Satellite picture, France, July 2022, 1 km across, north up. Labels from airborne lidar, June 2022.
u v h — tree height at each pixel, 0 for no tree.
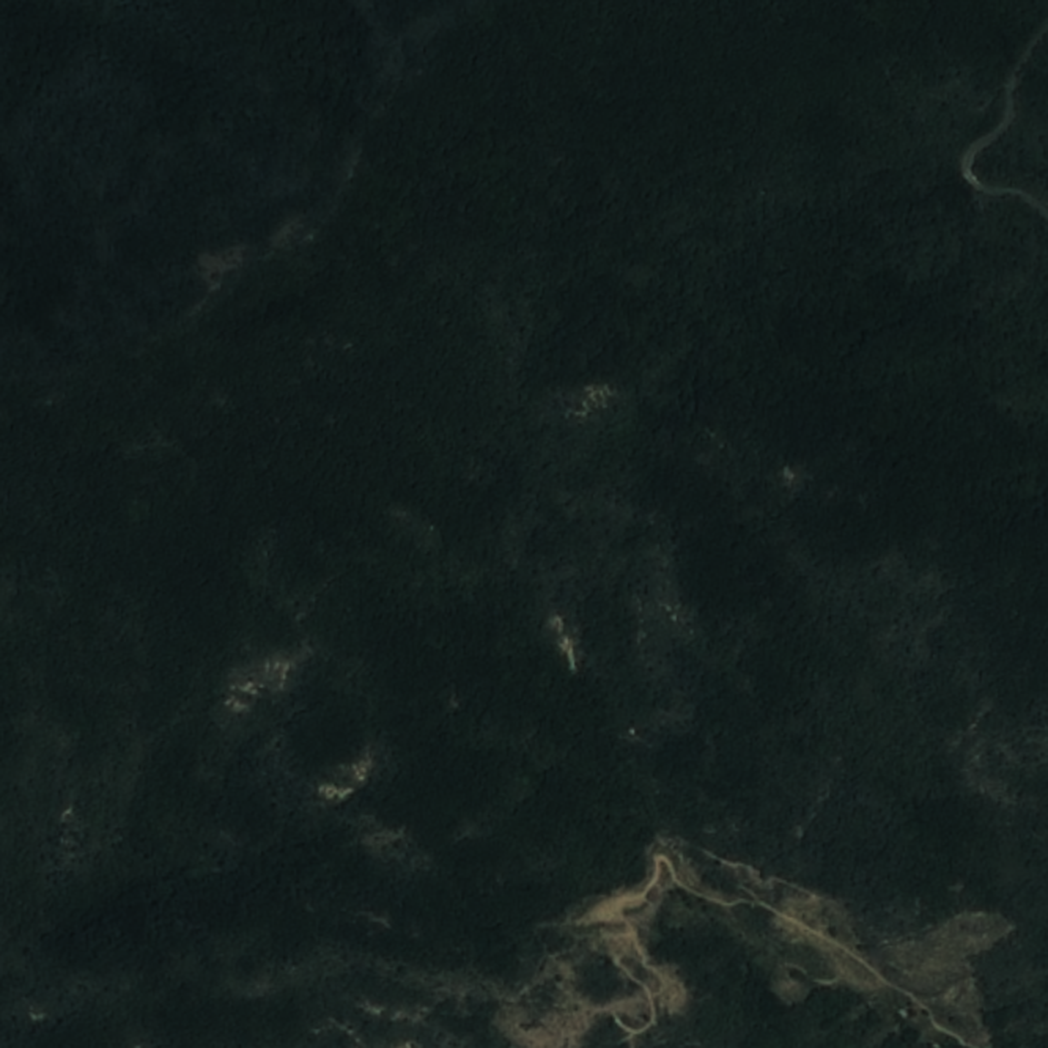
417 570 14
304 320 11
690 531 7
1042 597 11
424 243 13
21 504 8
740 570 13
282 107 12
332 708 7
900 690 8
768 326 15
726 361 7
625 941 0
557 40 13
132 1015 6
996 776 6
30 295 17
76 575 13
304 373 13
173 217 8
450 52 13
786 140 7
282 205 8
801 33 13
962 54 8
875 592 6
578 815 11
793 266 11
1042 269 8
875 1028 9
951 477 9
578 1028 0
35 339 8
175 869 9
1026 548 11
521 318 7
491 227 9
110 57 9
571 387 7
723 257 6
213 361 11
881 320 7
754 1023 8
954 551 11
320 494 17
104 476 12
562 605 7
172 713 8
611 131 14
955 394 9
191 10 8
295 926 9
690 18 16
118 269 7
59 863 8
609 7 12
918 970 0
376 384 17
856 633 9
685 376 9
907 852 6
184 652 12
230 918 7
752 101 10
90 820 7
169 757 10
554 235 13
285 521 9
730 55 17
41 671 7
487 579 8
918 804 12
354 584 13
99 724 8
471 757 11
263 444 15
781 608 12
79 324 8
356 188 8
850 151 7
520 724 10
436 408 15
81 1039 7
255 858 7
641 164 9
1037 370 9
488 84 13
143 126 8
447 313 11
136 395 8
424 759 10
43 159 7
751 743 7
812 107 11
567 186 16
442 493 13
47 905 8
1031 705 9
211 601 11
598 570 7
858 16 16
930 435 11
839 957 0
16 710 6
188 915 8
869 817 9
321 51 10
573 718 8
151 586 12
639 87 15
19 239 9
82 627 15
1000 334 7
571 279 9
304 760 7
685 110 16
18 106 12
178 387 12
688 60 15
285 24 14
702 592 11
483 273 8
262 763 8
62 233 9
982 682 6
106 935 11
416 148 15
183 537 15
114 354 7
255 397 14
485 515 11
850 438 16
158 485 8
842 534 12
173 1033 7
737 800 6
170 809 6
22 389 12
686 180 10
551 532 8
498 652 11
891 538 7
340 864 8
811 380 11
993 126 9
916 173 7
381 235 15
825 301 7
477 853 8
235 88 9
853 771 6
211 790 9
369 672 6
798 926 0
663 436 8
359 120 11
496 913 9
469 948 7
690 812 8
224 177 8
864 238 8
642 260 11
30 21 13
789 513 7
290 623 9
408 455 13
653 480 12
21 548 9
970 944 0
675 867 0
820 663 14
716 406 15
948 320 13
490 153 7
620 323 7
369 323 7
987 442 7
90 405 11
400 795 11
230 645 9
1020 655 10
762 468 6
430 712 12
